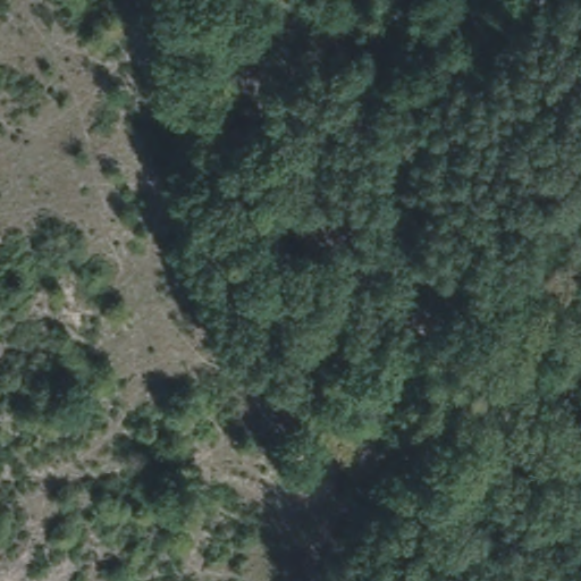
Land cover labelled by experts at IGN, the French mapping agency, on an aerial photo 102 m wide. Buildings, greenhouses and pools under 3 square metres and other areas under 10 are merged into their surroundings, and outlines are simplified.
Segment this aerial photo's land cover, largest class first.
<instances>
[{"label":"deciduous trees","instance_id":"1","mask_svg":"<svg viewBox=\"0 0 581 581\"><path fill-rule=\"evenodd\" d=\"M286 11L281 7V0H229L225 11L216 16V27L209 32V36L197 25L184 23V18L157 25L154 39L161 48V52L152 61V75L157 84L170 89L175 95L182 98L193 102V107L188 109L191 127L186 132H195L200 136L216 138L220 134L225 118L234 104V73L245 64H254L268 50L272 36L281 32ZM291 11H297L304 20L313 23L318 32H345L356 23L354 7L350 2L320 0H288ZM567 5H581V0H433L424 9L413 11L411 20V34L427 39L431 43L424 52L411 54L402 64H393L381 84L368 73H350L347 77H338L334 82L311 79V93L304 102L286 107L272 104L268 109V134H263L252 145V152L245 157L243 166L234 175L220 179L222 195L218 197V207L211 216H204L200 209H195L197 204L207 202L209 191L191 195L184 197L170 211V216L182 220L184 227L193 234L186 250H175L170 254V266L184 277L193 300L200 302V320L209 327V331H204V336L216 347L220 354L231 356V361L245 374L247 381L259 384V388L263 390L261 395L272 409L288 411L284 427L275 436V443L279 447L266 454V458L279 474L277 483L286 490L311 492L325 477L327 463L331 461V452L336 449V445H359L381 436L384 415L390 413L393 406L399 402L404 381L415 374L420 354H406L409 345L413 343V334L411 325L406 322V313L415 304V284H429L440 295L449 297L456 291V277L468 268L472 259L470 250L463 243H436L440 225L447 220L445 202H431V182L411 177L413 170H433V152L422 150L427 145L429 134L438 129V123L447 116H458L461 125L472 123L477 107L492 104V89L502 79H508V89H522L524 75L520 73V61L531 50L536 18H551ZM563 409L570 411L574 415V424L581 427V374L576 377L574 388L563 390L558 395H542L536 406V418H542V413L547 411ZM574 549V556L565 563V567L567 572H576V576H581V529H574L572 536L565 540Z\"/></svg>","mask_w":581,"mask_h":581},{"label":"coniferous trees","instance_id":"2","mask_svg":"<svg viewBox=\"0 0 581 581\"><path fill-rule=\"evenodd\" d=\"M157 25L184 18V23L197 25L209 36V32L216 27V16L225 11L229 0H152ZM520 73L524 75L522 89H508V79H502L492 89V104L477 107L472 123L461 125L458 116H447L438 123V129L429 134L427 145L422 150L433 152V170H413L411 177L431 182V202H445L447 220L440 225L436 243H463L470 250L472 259L468 268L456 277V291L449 297L440 295L429 284H415V304L406 313V322L411 325L413 334V343L409 345L406 354H420L415 374L404 381L399 402L393 406L390 413L384 415L381 436L359 445L354 449V458L368 461L372 483L377 488V492L370 499L388 506L390 511H395V515L386 522V527H379V522H370L363 547L356 556L347 561V570L340 576V581H581V576H576V572H567L565 567V563L574 556V549L565 540L572 536L574 529H581V427L574 424V415L570 411L563 409L547 411L542 413V418H536V406L542 395H558L563 390L574 388L576 377L581 374V5H567L551 18H536L531 50L520 61ZM193 107V102L182 98L172 109H163L154 116L159 123H163V127L159 129V143L163 150L161 195L170 211L184 197L191 195V182L197 172V168L193 166V143L200 136L195 132H186L191 127L188 109Z\"/></svg>","mask_w":581,"mask_h":581},{"label":"herbaceous vegetation","instance_id":"3","mask_svg":"<svg viewBox=\"0 0 581 581\"><path fill-rule=\"evenodd\" d=\"M32 0H0V64H7L23 75H32L43 86L59 89L57 100L41 107L36 116H20L14 120L9 118V111L14 109V98L9 91H0V243L2 234L11 227L27 231L32 236V231L36 229V218H59L82 229L86 252L91 256L98 254L107 259L98 275H61L57 279V293H36L30 306L25 311H18L16 320L5 322L2 327L7 334L16 327L18 320L54 318L66 325V331L73 340L102 350L113 368L95 386L98 402L107 413V431H98L91 438L89 447L77 449V454L70 456L66 463H45L41 468H34L30 472L32 479H79L100 477L107 472H123L120 461L113 458V438L129 436L132 429L125 427V418L141 402L152 397L143 381L145 374L154 370L166 374H186L197 365L207 370H218L216 356L209 354L216 347L204 336V331L184 318L182 309L170 295L157 291V272L161 270V259L152 234H134L129 227L120 222V218L109 207V193H113L118 186L127 184V188L136 191V175L141 170V161L127 138V116L136 113L141 104H152L154 116L163 109H172L182 98L175 95L170 89L157 84V89L150 95H141V91L136 89L120 20L113 23L107 32L95 34L89 43L79 45L77 34L64 32L57 23L43 25V20L36 18L30 9ZM281 7L286 11L281 32L272 36L268 50L254 64H245L234 73V104L225 118L220 134L216 138L200 136L193 143V166L197 168V172L191 182V195L209 191L207 202L197 204L195 209H200L204 216H211L218 207V197L222 195L220 179L234 175L243 166L245 157L252 152V145L263 134H268V109L272 104L286 107L304 102L311 93V79L334 82L338 77H347L350 73H368L381 84L393 64H402L411 54L424 52L431 43L427 39L411 34V20L406 16L399 20H388L384 16V32L372 34L368 43H356L345 32H318L313 23L304 20L297 11H291L288 0H281ZM247 411L243 413V418L227 422L225 436L216 440V445L202 443L195 447V463L200 465L204 481L229 483L238 490L243 502H263V513L259 517V540L270 561V581H340V576L347 570V561L356 556L363 547L370 522H379V527H386V522L395 515V511H390L388 506L370 499L377 492V488L372 483L368 461L354 458V449L359 445H336V449L331 452V461L327 463L325 477L311 492L286 490L277 483L279 474L266 458V454L279 447L275 443V436L284 427L288 411L272 409L261 395H247ZM18 504L25 511L27 538L23 540V547L18 549V556L14 561H0V581H68L75 572L73 561H61L52 565L39 579L27 574V563L32 561L34 547L45 538L43 524L50 515L57 513V504L50 502L48 495L41 490L18 495Z\"/></svg>","mask_w":581,"mask_h":581},{"label":"brushwood","instance_id":"4","mask_svg":"<svg viewBox=\"0 0 581 581\"><path fill-rule=\"evenodd\" d=\"M152 0H32L30 9L36 18L43 20V25L57 23L64 32L77 34L79 45L89 43L95 34L107 32L113 23L120 20L136 89L141 91V95H150L157 89V84L152 75V61L161 52V48L154 39L157 25ZM350 2L354 7L356 23L345 32L356 43H368L372 34L384 32V16L388 20H399L406 16L411 20L413 11L424 9L433 0H320ZM0 91H9L14 98V109L9 111V118L14 120L20 116H36L41 107L57 100L59 89L43 86L32 75H23L7 64H0ZM163 127V123H159L154 116L152 104H141L136 113L127 116V138L141 161V170L136 175V191L127 188V184L118 186L113 193H109V207L120 218V222L129 227L134 234H152L161 259V270L157 272V291L170 295L182 309L184 318L204 331H209V327L200 320V302L193 300L184 277L170 266V254L175 250H186L193 234L184 227L182 220L170 216V211L161 195L163 150L159 143V129ZM107 259L98 254L91 256L86 252L82 229L59 218H36V229L32 231V236L27 231L11 227L2 234L0 243V561H14L18 556V549L23 547V540L27 538L25 511L18 504V495L41 490L48 495L50 502L57 504V513L50 515L43 524L45 538L34 547L32 561L27 563V574L39 579L52 565L61 561H73L75 572L68 581H270V561L259 540V517L263 513V502H243L238 490L229 483L204 481L200 465L195 463V447L202 443L216 445V440L225 436L227 422L243 418V413L247 411V395H261L263 390L259 388V384L247 381L245 374L231 361V356L220 354L216 347L209 354L216 356L218 370H207L197 365L186 374H166L154 370L145 374L143 381L152 397L141 402L125 418V427L132 429L129 436L113 438V458L120 461L123 472H107L100 477L79 479H32L30 472L34 468H41L45 463H66L70 456L77 454V449L89 447L91 438L98 431H107V413L98 402L95 386L113 368L102 350L73 340L66 331V325L54 318L18 320L16 327L7 334L2 327L5 322L16 320L18 311H25L30 306L36 293H57V279L61 275H98Z\"/></svg>","mask_w":581,"mask_h":581}]
</instances>
